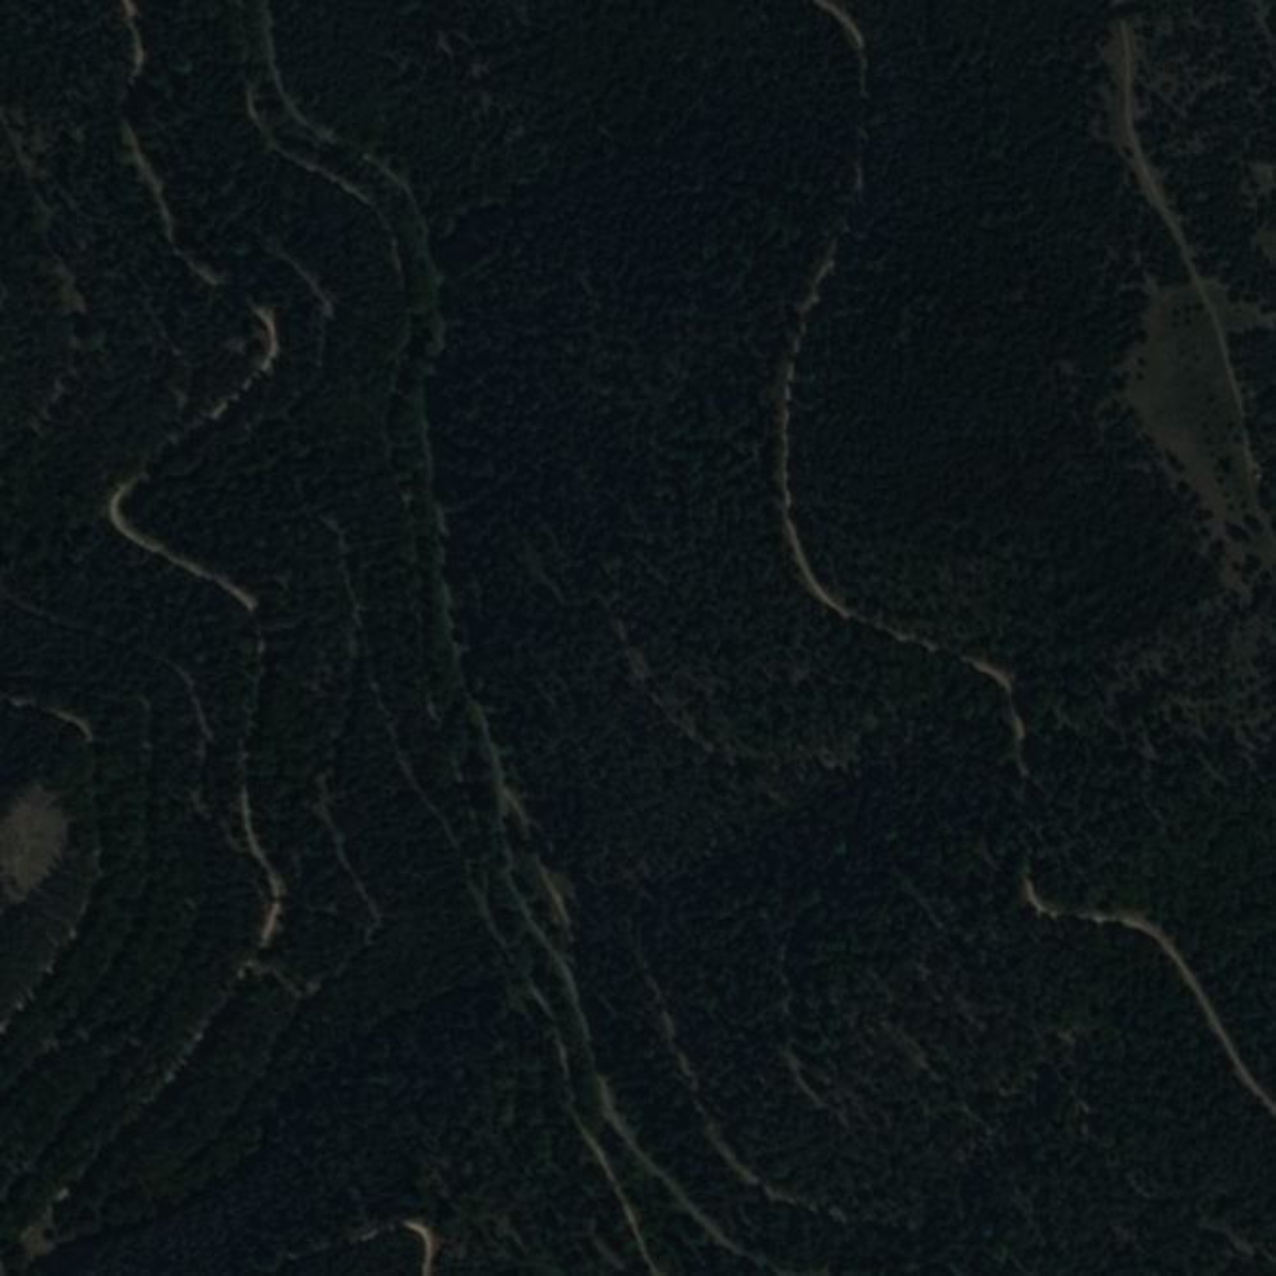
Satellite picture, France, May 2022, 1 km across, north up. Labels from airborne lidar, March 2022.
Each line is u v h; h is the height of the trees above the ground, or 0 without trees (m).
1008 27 16
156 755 16
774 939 34
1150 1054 24
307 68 14
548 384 25
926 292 29
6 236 25
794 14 20
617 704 30
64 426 21
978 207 10
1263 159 10
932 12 21
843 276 8
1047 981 25
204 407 18
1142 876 15
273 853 12
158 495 20
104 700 12
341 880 23
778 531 13
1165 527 9
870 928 31
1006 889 30
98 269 31
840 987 10
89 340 29
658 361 33
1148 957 25
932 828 35
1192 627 6
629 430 26
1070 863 25
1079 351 8
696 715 39
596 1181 33
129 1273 28
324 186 20
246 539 18
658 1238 10
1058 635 9
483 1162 36
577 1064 15
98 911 19
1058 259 12
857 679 21
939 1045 30
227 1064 20
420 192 19
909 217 17
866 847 26
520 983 21
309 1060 16
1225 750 21
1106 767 24
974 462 12
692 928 34
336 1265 12
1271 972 22
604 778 31
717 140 29
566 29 21
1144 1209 24
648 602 30
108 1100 18
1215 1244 26
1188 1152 20
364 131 19
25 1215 17
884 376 13
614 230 27
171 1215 30
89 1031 15
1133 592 11
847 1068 29
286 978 8
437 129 14
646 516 31
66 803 17
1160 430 0
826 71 22
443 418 36
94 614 8
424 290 24
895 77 19
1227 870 23
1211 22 8
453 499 31
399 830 16
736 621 30
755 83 19
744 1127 34
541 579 0
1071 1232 31
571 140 26
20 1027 18
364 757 14
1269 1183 27
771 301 29
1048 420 12
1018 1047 25
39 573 13
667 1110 33
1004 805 30
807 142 22
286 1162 33
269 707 21
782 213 28
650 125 30
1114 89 12
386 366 21
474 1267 7
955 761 35
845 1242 26
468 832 18
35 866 0
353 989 18
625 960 37
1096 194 11
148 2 21
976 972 30
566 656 34
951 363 14
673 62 17
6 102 16
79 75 36
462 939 18
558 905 0
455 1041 28
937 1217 39
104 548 9
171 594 15
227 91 27
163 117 37
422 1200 9
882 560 16
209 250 19
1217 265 8
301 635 19
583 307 31
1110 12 16
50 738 14
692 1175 16
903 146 25
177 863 24
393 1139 11
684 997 39
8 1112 19
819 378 9
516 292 27
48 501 20
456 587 30
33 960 16
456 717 24
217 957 24
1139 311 13
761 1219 31
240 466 21
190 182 39
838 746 29
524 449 28
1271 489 8
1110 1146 24
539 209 32
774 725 23
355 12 15
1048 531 14
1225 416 0
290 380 20
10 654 10
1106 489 10
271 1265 22
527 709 8
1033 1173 33
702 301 23
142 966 21
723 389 12
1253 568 11
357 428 17
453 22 23
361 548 18
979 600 6
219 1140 26
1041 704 24
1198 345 0
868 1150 28
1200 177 9
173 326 28
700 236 28
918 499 12
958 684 29
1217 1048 20
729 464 19
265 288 35
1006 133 8
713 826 32
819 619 29
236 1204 26
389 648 13
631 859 34
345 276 18
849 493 11
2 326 24
